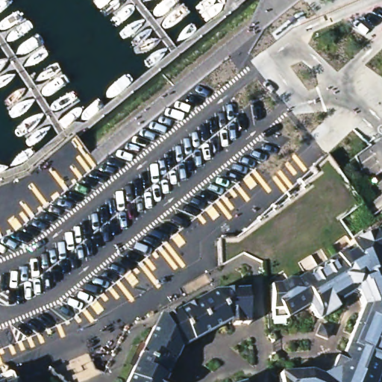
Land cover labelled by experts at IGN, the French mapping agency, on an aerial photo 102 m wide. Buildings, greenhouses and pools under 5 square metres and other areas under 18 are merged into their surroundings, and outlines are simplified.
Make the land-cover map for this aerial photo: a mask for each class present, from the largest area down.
<instances>
[{"label":"impervious surface","instance_id":"1","mask_svg":"<svg viewBox=\"0 0 382 382\"><path fill-rule=\"evenodd\" d=\"M345 21L354 28V31L366 37L370 45L369 48L357 52L342 69L336 70L316 52L312 36L315 31ZM298 63L307 67H322V72L316 75L318 87H304L303 82L292 70V66ZM55 130L54 139L40 151H33L24 163L7 164L4 172L0 173V376L16 378L15 370L22 366L24 361L51 355L52 361L48 367L52 375L51 382H125L131 367H139L142 363L139 352L143 342L151 333L152 325H160L164 313L175 312L176 307L181 306L184 301L195 304L198 292L212 291L213 288L224 286L236 289V284L252 286L254 303L251 324L236 325L233 334H228L227 328L221 327L219 333L215 330L210 331L206 336L198 337L190 345L185 346L182 357L175 363H170L173 369L170 382H281L282 370L289 372V369L294 367V358L309 360L328 352H333L337 357L345 351L349 333L354 330L358 318L360 300L351 304L346 312L337 307L330 315L318 319L310 333L284 334L282 339H276L273 334L266 333L267 328L276 324L272 318V284L282 276L275 273L266 275L263 260L248 252H240L228 260H222V242H242L260 225L270 221L276 213L285 210L292 201H297L301 195L312 190L313 181L322 175V172L316 170V166L330 164L352 195H357V190L349 184L348 176L342 169L334 160L331 151L351 131L367 145L366 149L355 154L354 158L370 172L382 173V0H224L221 12L210 19H204V24L195 30L194 37L179 40V46L172 49L169 54H163L158 66L146 67V72L139 78H130L128 87L121 94L109 97L106 104L98 103L97 113L93 118L82 119V122L73 119L69 127L63 128L55 121L54 115L49 116ZM251 337L257 340V364L245 363L239 357L237 349V345L243 340H251ZM357 210L355 204L337 216L345 234L340 237L339 243L333 246L334 252H340V243L354 246L361 239L360 233H352L349 228ZM327 257L324 249H319L312 257L300 261L301 269L310 270L315 264L324 266L322 260Z\"/></svg>","mask_w":382,"mask_h":382},{"label":"water","instance_id":"2","mask_svg":"<svg viewBox=\"0 0 382 382\"><path fill-rule=\"evenodd\" d=\"M224 0H0V173L4 172L7 164L24 163L33 151H40L54 139L55 130L49 116L54 115L55 121L63 128L69 127L73 119L82 122V119L93 118L97 113L98 103L106 104L109 97L121 94L128 87L130 78H139L146 72V67L158 66L163 54H169L172 49L179 46V40L194 37L195 30L204 24V19H210L221 12Z\"/></svg>","mask_w":382,"mask_h":382},{"label":"building","instance_id":"3","mask_svg":"<svg viewBox=\"0 0 382 382\"><path fill-rule=\"evenodd\" d=\"M361 239L354 246L340 243V252H334L333 257H327L322 260L324 266L315 264L310 270L301 269L297 275L288 278L282 276L272 284V318L276 324H286V319L292 312L300 313L306 309H310L318 319L330 315L337 307L346 312L351 304L360 300L358 318L354 330L349 333L345 351L337 357L333 352H328L309 360L294 358V367L289 369V372L282 370L281 382H382V227H373L372 231L360 233ZM254 303L252 286L236 284V289L224 286L213 288L212 291L198 292L195 304L184 301L181 306L176 307L175 312L164 313L160 325H152L151 333L143 342L139 352L142 363L139 367H131L125 382H170L173 369L170 363H175L182 357L185 346L190 345L198 337L206 336L210 331L215 330L219 333L221 327L227 328L228 334H233L236 325L251 324ZM0 382H18L16 378L0 376Z\"/></svg>","mask_w":382,"mask_h":382},{"label":"herbaceous vegetation","instance_id":"4","mask_svg":"<svg viewBox=\"0 0 382 382\"><path fill-rule=\"evenodd\" d=\"M316 52L336 70L342 69L357 52L369 48L370 45L366 37L354 31V28L345 21L315 31L312 36ZM292 70L303 82L304 87H318L316 75L322 72V67H307L298 63L292 66ZM367 145L351 131L331 151L334 160L342 169L348 164L349 158H354L355 154L366 149ZM316 170L322 172V175L313 181L312 190L301 195L297 201H292L285 210L276 213L270 221L260 225L242 242H222V260H228L240 252H248L263 260L266 275L275 273L282 276L288 278L297 275L301 269L300 261L312 257L319 249H324L327 257H333L334 252L333 246L339 243L340 237L345 234L337 216L355 204L352 195L330 164L316 166Z\"/></svg>","mask_w":382,"mask_h":382},{"label":"brushwood","instance_id":"5","mask_svg":"<svg viewBox=\"0 0 382 382\"><path fill-rule=\"evenodd\" d=\"M348 176L349 184L357 190V195H352L357 210L349 228L352 233H360L372 231L373 227H382V173L370 172L354 158H349L348 164L342 169ZM318 319L310 309H306L300 313L292 312L286 319V324H276L267 328L266 333L273 334L276 339H282L284 334L310 333ZM237 349L239 357L245 363L257 364V340L251 337V340H243L237 345Z\"/></svg>","mask_w":382,"mask_h":382},{"label":"pervious surface","instance_id":"6","mask_svg":"<svg viewBox=\"0 0 382 382\"><path fill-rule=\"evenodd\" d=\"M52 361L51 355L24 361L22 366L15 370L16 378L18 382H51L52 375L48 367Z\"/></svg>","mask_w":382,"mask_h":382}]
</instances>
